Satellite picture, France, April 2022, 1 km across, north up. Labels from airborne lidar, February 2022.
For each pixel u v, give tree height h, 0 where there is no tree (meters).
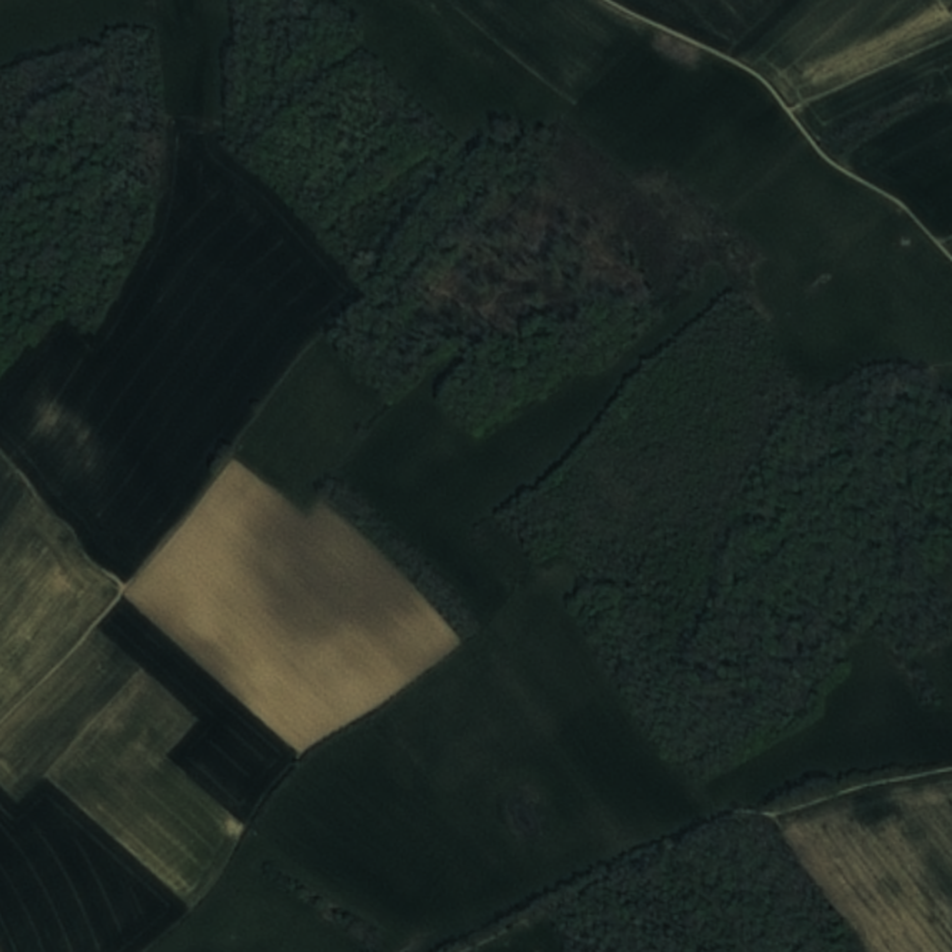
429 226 27
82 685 0
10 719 0
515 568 0
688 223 0
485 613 0
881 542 24
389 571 0
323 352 0
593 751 0
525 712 0
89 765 0
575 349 26
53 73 16
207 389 0
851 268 0
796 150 0
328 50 24
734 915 22
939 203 0
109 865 0
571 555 13
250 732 0
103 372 0
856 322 0
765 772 0
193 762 0
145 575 0
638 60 0
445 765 0
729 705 27
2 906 0
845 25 0
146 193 15
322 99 16
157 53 21
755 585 24
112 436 0
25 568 0
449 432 0
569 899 18
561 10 0
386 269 16
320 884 0
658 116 0
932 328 0
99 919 0
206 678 0
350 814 0
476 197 28
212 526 0
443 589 21
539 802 0
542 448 0
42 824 0
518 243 27
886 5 0
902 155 0
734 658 26
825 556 25
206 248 0
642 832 0
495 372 18
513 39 0
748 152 0
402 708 0
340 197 18
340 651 0
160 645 0
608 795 0
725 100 0
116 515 0
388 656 0
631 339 11
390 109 16
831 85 0
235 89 21
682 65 0
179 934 0
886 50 0
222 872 0
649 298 24
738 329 14
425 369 19
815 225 0
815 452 22
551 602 0
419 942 0
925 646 22
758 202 0
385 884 0
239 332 0
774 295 0
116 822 0
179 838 0
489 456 0
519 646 0
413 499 0
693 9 0
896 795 0
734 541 24
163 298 0
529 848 0
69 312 20
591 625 15
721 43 0
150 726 0
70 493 0
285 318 0
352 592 0
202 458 0
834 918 14
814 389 0
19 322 18
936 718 0
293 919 0
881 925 0
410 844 0
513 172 17
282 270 0
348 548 0
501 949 0
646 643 17
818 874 0
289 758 0
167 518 0
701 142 0
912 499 25
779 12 0
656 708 26
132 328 0
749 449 12
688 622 10
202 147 0
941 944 0
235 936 0
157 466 0
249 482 0
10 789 0
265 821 0
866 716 0
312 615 0
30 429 0
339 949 0
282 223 0
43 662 0
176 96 0
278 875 5
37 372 0
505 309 30
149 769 0
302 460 0
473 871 0
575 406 0
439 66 0
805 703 25
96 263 27
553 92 0
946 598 16
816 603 24
